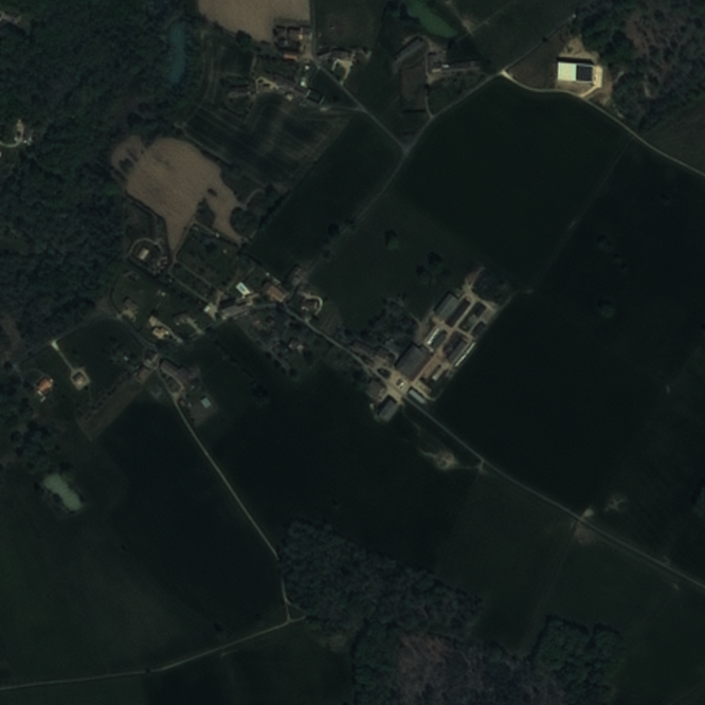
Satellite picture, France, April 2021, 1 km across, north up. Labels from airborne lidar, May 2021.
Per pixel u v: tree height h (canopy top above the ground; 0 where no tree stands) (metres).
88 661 0
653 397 0
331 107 0
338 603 21
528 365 0
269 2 0
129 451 0
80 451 0
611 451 0
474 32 0
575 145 0
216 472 0
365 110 0
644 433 0
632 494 0
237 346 0
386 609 21
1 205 21
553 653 16
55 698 0
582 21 8
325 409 0
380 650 17
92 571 0
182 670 0
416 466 0
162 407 0
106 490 0
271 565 0
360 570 21
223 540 0
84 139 21
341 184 0
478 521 0
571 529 0
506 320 0
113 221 24
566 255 0
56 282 29
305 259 0
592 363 0
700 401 0
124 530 0
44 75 18
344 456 0
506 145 0
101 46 16
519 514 0
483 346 0
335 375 0
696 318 0
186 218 0
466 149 0
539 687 9
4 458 0
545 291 0
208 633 0
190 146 0
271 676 0
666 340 0
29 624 0
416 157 0
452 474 0
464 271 0
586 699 27
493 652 17
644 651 0
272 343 17
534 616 0
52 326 22
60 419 0
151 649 0
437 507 0
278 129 0
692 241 0
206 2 0
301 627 0
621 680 0
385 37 0
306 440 0
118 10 20
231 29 0
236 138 0
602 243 11
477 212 0
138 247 0
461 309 0
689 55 11
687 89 14
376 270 0
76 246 15
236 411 0
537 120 0
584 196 0
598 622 0
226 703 0
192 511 0
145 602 0
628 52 20
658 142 0
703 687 0
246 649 0
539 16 0
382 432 0
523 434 0
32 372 0
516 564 0
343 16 0
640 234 0
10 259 9
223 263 0
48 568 0
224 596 0
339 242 13
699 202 0
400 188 0
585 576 0
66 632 0
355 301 0
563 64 0
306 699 0
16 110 21
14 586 0
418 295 0
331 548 14
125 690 0
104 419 0
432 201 0
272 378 0
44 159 20
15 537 0
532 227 0
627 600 0
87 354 0
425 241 0
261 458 0
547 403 0
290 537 8
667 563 0
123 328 0
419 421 0
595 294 0
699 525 0
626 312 0
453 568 0
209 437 0
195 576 0
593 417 0
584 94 0
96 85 17
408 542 0
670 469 0
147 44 18
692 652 0
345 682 0
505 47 0
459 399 0
